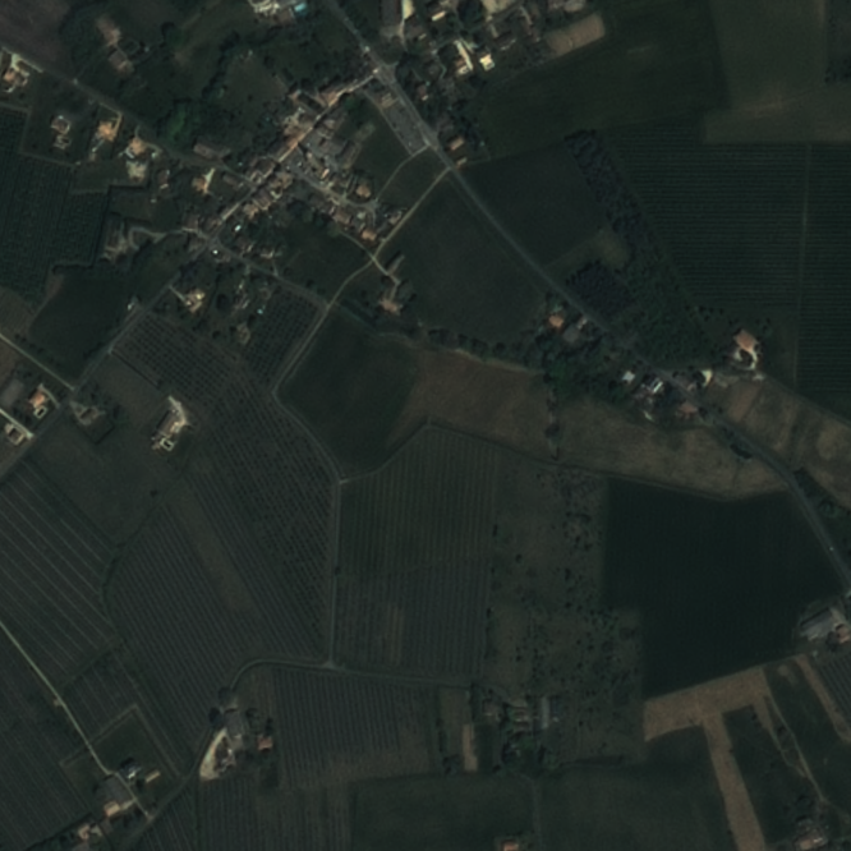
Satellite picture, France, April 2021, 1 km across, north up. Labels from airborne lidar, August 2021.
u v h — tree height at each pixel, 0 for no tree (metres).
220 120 10
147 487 0
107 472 0
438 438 0
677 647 0
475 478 0
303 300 5
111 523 0
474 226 0
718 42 0
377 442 0
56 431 0
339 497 0
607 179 17
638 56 0
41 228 6
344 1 8
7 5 0
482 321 0
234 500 6
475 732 7
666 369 0
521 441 0
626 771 0
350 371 0
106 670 6
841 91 0
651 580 0
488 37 8
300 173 0
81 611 6
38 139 0
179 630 8
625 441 0
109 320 0
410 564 0
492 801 0
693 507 0
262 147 6
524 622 0
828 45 0
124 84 8
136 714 6
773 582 0
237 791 6
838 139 0
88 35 19
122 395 0
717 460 0
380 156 0
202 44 0
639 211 14
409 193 0
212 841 8
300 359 0
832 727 0
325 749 6
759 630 0
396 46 8
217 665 7
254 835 6
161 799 5
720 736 0
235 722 0
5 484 6
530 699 7
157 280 0
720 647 0
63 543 6
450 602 7
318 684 6
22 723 6
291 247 7
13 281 6
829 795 0
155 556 8
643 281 10
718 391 0
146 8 0
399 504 0
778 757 0
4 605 6
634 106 0
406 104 0
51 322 0
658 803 0
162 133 13
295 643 6
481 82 9
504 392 0
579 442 0
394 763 0
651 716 0
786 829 0
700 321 8
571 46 0
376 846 0
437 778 0
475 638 6
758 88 0
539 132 0
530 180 0
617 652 7
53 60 0
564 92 0
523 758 6
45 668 6
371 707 6
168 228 0
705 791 0
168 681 7
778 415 0
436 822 0
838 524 0
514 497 0
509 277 0
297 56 0
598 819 0
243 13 0
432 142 0
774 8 0
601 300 13
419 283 0
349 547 0
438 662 6
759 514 0
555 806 0
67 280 0
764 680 0
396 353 0
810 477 7
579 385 13
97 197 6
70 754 6
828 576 0
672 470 0
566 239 0
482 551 0
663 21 0
